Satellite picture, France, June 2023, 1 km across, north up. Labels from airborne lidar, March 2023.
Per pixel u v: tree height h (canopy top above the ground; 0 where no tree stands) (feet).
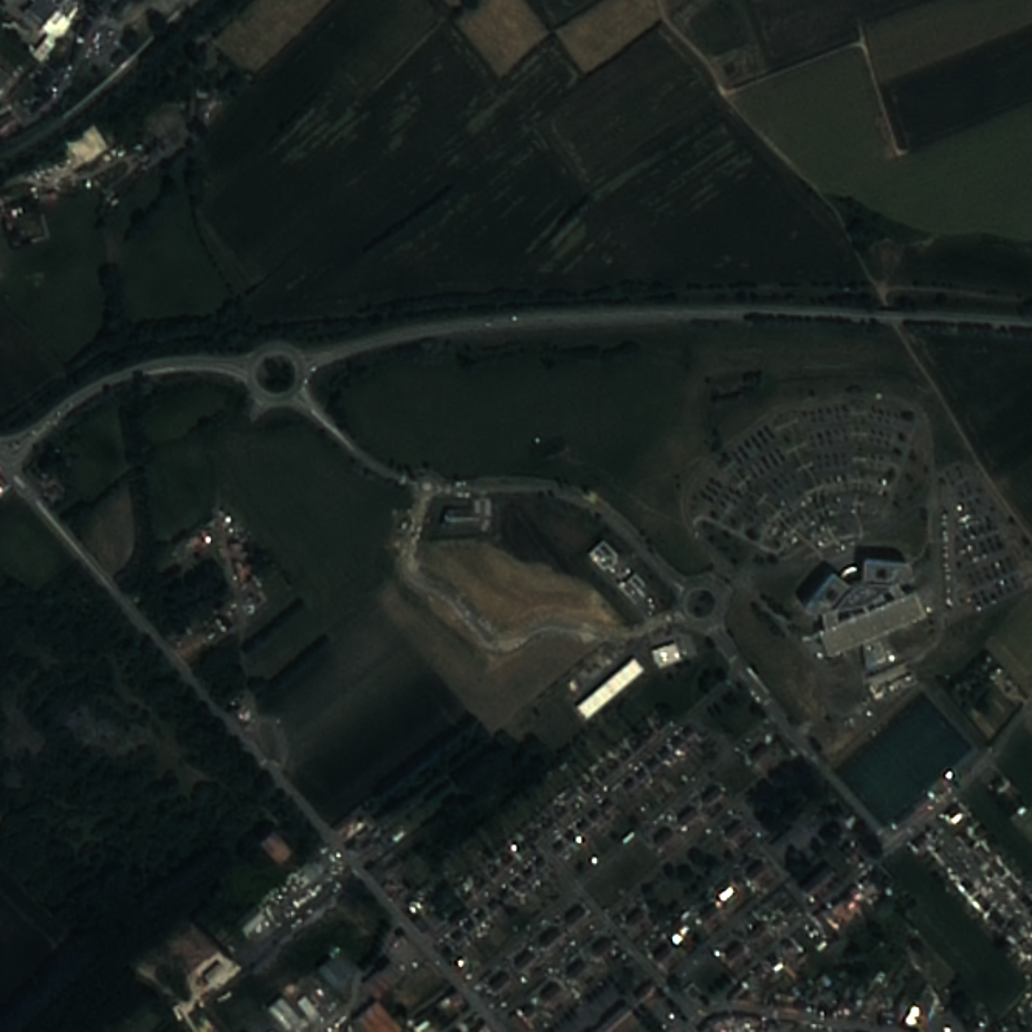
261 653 0
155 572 18
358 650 0
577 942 0
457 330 0
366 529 0
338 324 20
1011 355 0
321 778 0
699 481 0
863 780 0
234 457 0
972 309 0
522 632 0
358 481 0
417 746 0
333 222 0
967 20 0
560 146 0
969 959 0
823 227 0
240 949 0
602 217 0
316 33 0
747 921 0
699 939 42
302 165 0
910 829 0
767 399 0
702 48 0
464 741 43
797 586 0
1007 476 0
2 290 0
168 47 41
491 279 0
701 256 0
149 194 0
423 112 0
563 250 0
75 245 0
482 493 0
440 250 0
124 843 40
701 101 0
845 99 0
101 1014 85
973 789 0
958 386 0
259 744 0
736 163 0
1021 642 0
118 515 0
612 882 0
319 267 0
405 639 0
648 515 0
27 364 0
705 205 0
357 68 0
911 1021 0
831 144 0
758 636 0
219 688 30
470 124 0
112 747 0
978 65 0
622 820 0
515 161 0
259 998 0
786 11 0
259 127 0
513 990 0
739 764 0
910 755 0
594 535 0
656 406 0
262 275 0
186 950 0
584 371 0
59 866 49
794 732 0
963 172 0
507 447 0
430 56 0
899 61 0
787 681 0
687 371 0
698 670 0
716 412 0
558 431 0
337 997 0
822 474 0
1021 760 0
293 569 0
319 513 0
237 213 0
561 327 0
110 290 21
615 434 0
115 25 0
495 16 0
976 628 0
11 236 22
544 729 0
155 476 0
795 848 34
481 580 0
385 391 0
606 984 25
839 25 0
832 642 0
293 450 0
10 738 0
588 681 0
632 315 0
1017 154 0
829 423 0
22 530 0
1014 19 0
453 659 0
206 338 40
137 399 25
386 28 0
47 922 0
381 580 0
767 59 0
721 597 0
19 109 0
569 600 0
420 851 30
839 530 0
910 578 0
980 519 0
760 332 0
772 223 0
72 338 0
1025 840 0
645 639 0
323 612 0
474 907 0
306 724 0
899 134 0
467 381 0
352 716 0
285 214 0
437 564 0
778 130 0
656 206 0
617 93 0
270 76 0
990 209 0
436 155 0
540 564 0
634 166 0
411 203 0
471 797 34
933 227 0
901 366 0
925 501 0
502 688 0
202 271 0
